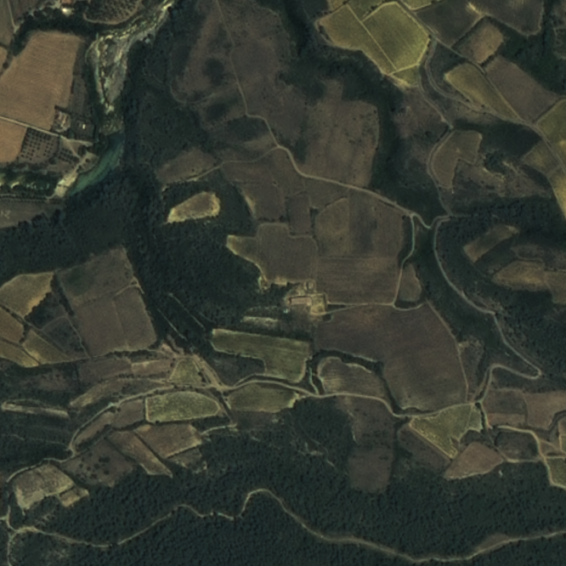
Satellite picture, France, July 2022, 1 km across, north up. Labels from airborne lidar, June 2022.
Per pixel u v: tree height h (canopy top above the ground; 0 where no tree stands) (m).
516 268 0
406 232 0
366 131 0
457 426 0
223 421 6
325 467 7
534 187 0
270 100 0
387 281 0
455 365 0
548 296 6
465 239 10
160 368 0
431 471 0
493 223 10
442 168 0
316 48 8
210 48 0
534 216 13
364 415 0
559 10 0
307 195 0
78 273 0
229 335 0
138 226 12
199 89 0
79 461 0
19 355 0
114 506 13
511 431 0
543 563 10
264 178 0
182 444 0
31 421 7
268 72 0
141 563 11
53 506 6
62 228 12
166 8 0
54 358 0
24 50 0
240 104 0
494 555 9
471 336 0
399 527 11
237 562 11
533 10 0
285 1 6
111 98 0
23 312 0
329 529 9
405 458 0
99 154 16
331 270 0
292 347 0
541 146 0
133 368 0
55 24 11
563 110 0
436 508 10
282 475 8
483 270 0
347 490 9
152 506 13
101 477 0
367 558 13
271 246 0
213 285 7
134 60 8
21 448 9
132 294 0
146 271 18
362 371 0
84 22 10
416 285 0
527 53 12
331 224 0
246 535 12
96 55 0
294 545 7
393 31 0
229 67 0
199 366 0
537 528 10
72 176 0
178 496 11
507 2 0
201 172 0
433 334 0
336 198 0
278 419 0
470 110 0
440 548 9
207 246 9
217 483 8
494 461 0
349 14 0
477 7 0
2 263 12
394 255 0
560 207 0
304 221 0
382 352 0
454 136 0
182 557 10
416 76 0
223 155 0
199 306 9
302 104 0
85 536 8
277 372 0
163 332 8
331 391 0
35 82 0
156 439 0
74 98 0
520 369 0
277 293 7
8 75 0
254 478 7
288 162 0
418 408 0
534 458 0
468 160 0
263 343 0
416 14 0
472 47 0
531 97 0
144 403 0
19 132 0
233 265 7
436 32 0
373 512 10
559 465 0
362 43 0
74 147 0
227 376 0
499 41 0
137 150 11
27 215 0
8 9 0
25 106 0
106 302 0
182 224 7
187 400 0
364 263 0
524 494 10
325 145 0
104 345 0
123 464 0
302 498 15
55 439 7
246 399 0
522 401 0
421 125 0
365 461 0
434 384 0
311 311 0
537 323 10
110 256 0
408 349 0
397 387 0
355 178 0
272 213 0
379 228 0
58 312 0
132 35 0
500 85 0
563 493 9
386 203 0
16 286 0
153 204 7
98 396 0
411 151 0
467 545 7
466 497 7
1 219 0
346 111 0
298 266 0
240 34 0
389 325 0
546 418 0
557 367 7
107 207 9
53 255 6
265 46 0
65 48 0
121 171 6
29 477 0
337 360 0
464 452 0
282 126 0
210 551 9
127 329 0
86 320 0
